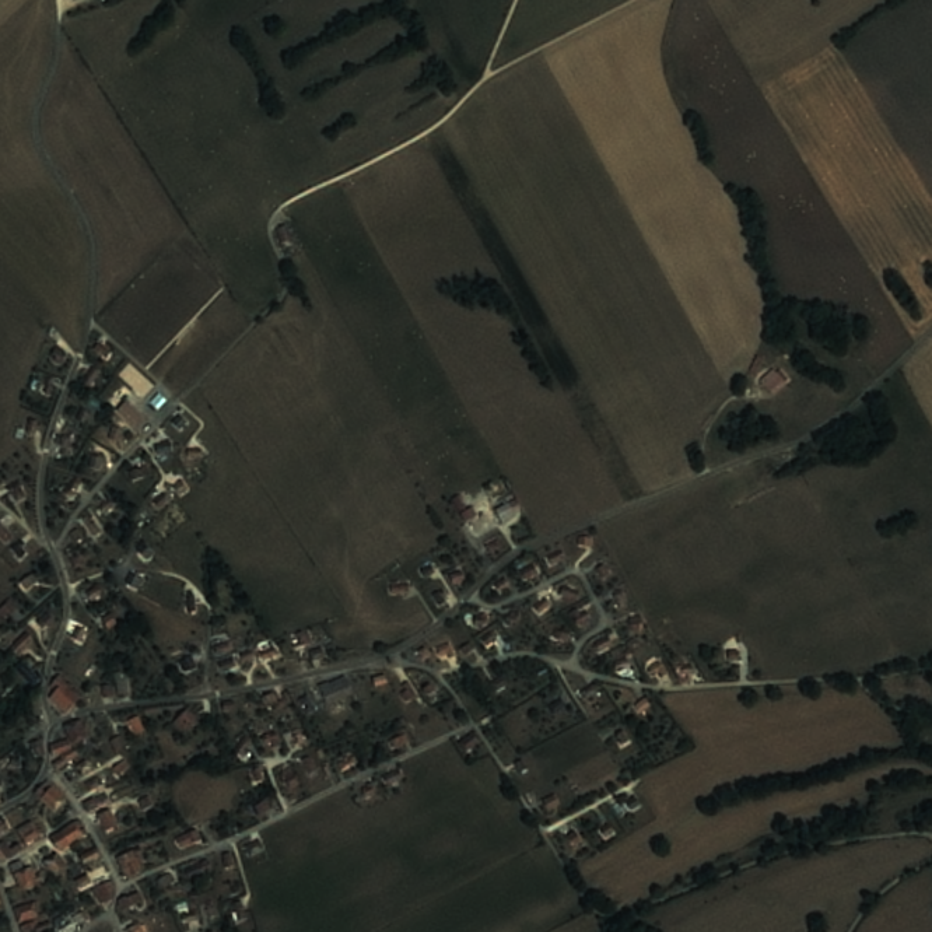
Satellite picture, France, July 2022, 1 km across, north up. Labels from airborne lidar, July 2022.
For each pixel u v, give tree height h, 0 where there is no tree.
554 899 0
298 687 0
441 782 0
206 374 0
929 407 0
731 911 0
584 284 0
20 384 0
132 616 11
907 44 0
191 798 0
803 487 0
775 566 0
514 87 0
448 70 18
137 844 9
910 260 0
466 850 0
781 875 0
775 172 0
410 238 0
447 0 0
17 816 0
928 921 0
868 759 19
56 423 0
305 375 0
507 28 0
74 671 0
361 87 0
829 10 0
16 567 0
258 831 0
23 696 6
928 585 0
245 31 6
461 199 0
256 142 0
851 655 0
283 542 0
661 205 0
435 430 0
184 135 0
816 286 0
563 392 0
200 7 0
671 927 0
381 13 9
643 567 0
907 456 0
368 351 0
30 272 0
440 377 0
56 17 0
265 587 0
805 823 14
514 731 0
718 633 0
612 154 0
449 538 8
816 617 0
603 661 6
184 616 0
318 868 0
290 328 0
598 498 0
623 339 0
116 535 17
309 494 0
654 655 0
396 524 0
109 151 0
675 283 0
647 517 0
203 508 0
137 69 0
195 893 7
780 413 0
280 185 0
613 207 0
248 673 0
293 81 0
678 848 0
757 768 0
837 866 0
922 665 7
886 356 0
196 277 0
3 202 0
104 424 6
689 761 0
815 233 0
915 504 0
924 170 0
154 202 0
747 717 0
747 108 0
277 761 0
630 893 0
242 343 0
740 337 0
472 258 0
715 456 0
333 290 0
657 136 0
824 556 0
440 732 0
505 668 6
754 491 0
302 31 0
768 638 0
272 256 0
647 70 0
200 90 0
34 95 0
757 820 0
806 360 22
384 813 0
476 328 0
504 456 0
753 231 20
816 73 0
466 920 0
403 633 0
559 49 0
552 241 0
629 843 0
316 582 0
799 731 0
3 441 0
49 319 0
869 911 15
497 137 0
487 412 0
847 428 20
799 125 0
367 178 0
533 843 0
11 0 0
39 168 0
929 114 0
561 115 0
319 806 0
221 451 0
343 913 0
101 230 0
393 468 0
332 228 0
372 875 0
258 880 0
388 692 0
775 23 0
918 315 8
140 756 6
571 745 0
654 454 0
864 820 17
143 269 0
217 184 0
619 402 0
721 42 0
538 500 0
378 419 0
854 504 0
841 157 0
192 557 0
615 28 0
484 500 0
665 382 0
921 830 14
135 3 0
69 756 0
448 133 0
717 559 0
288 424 0
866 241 0
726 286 0
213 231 0
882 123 0
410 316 0
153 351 0
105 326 0
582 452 0
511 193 0
